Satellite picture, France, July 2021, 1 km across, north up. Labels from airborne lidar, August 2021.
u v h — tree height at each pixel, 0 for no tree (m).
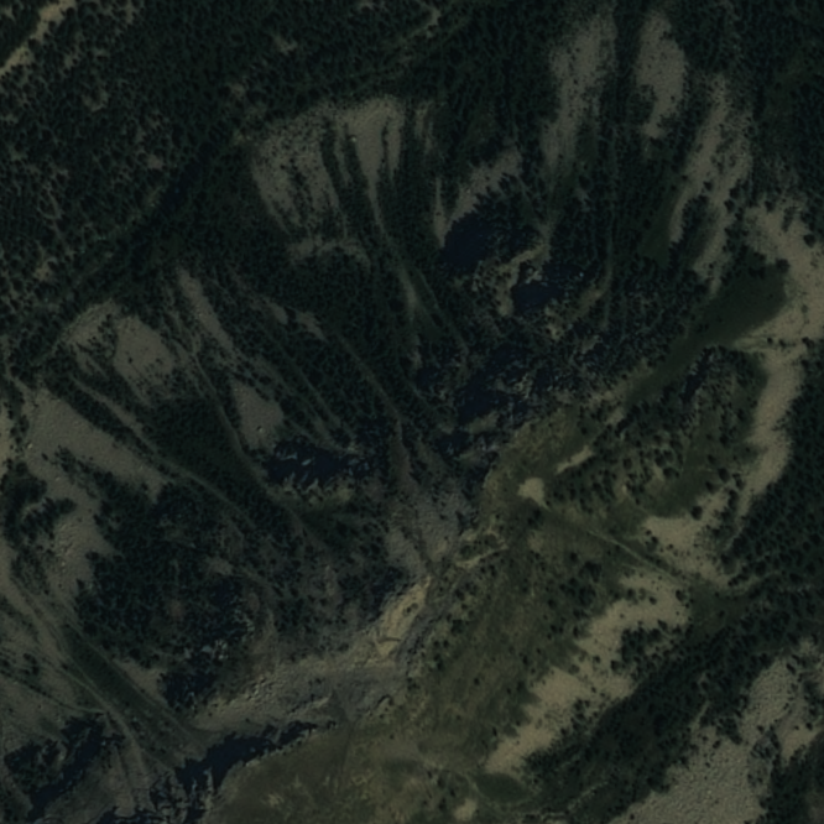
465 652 0
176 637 7
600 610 0
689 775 0
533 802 0
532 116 20
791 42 23
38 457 0
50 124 8
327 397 9
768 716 0
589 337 12
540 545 0
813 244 10
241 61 16
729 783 0
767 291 0
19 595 0
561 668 0
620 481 0
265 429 0
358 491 9
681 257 20
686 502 0
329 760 0
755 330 0
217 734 0
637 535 0
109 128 11
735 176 0
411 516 0
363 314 9
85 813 0
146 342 0
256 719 0
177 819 0
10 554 0
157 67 10
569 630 0
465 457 0
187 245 6
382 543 7
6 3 14
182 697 8
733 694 17
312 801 0
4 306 7
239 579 6
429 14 9
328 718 0
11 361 9
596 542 0
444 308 9
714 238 0
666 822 0
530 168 17
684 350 0
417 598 0
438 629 0
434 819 0
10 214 7
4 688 0
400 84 7
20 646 0
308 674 0
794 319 0
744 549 20
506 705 0
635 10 15
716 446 0
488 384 7
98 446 0
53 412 0
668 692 8
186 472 0
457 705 0
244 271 8
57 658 0
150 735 0
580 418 7
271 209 0
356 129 0
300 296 9
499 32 25
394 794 0
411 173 6
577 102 0
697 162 0
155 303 9
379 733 0
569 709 0
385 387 7
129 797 0
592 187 13
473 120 15
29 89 16
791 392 0
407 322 9
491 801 0
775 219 0
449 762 0
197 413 8
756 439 0
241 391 0
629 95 13
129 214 19
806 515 18
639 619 0
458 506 0
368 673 0
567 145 0
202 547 9
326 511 0
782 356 0
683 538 0
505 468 0
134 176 9
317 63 22
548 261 0
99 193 18
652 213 8
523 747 0
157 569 16
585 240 21
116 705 0
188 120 20
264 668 0
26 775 13
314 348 13
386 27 22
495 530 0
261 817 0
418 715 0
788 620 23
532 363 10
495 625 0
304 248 0
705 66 12
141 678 0
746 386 17
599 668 0
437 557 0
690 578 0
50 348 7
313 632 6
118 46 11
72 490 0
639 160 10
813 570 22
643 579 0
